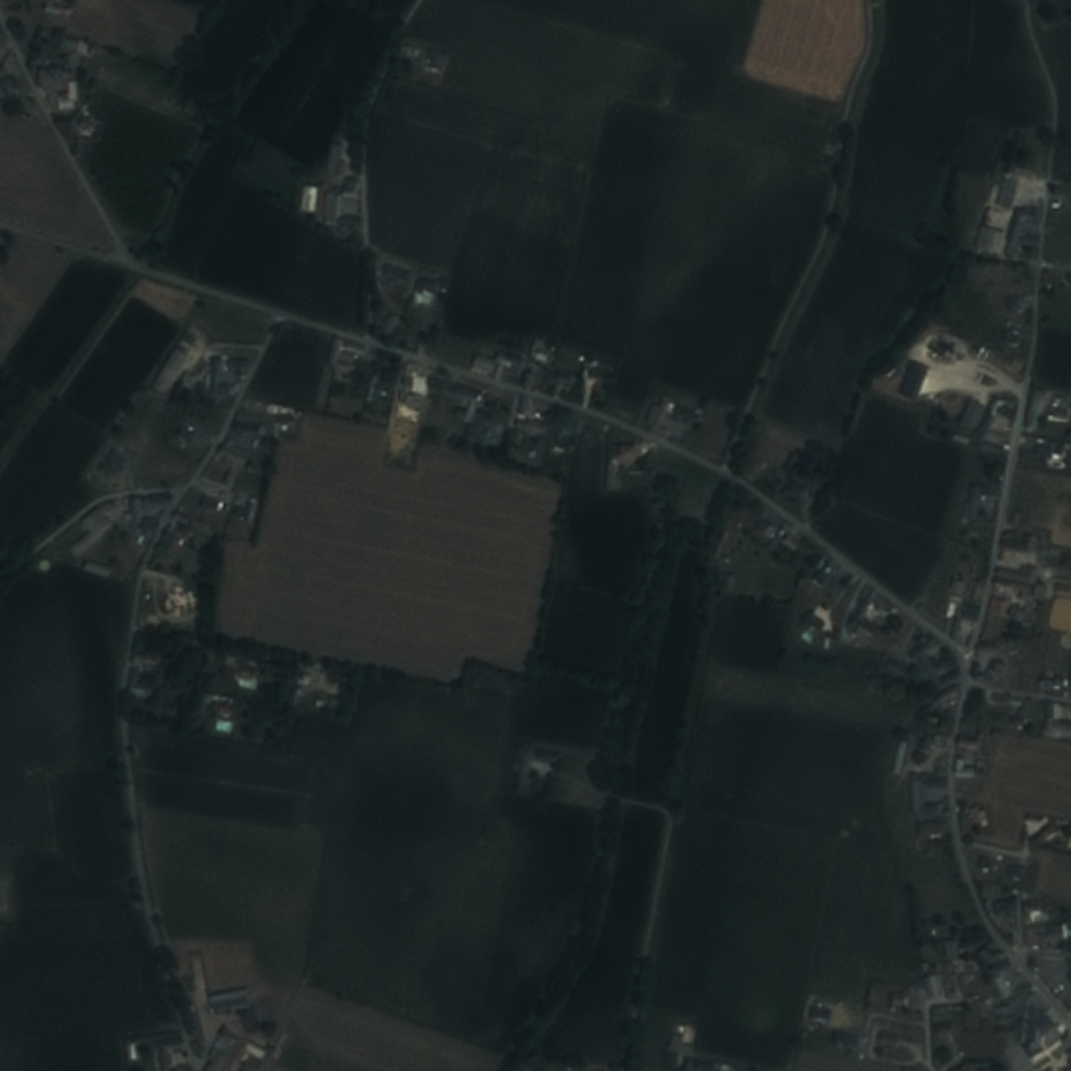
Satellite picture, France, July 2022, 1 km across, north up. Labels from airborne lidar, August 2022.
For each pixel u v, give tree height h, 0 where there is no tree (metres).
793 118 0
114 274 0
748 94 0
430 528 0
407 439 0
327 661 10
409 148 0
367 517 0
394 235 0
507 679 7
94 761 0
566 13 0
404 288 0
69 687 0
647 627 18
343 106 0
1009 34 0
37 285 0
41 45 8
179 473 0
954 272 13
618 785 18
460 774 0
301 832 0
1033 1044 0
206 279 0
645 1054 12
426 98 0
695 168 0
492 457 15
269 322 0
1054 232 0
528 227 0
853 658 0
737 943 0
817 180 0
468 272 0
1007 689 0
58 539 0
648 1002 14
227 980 0
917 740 0
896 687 11
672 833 0
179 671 18
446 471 0
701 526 16
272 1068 0
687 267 0
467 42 0
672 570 13
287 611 0
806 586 0
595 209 0
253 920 0
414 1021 0
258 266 0
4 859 0
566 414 11
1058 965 0
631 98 0
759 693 0
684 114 0
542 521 0
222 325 0
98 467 0
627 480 0
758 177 0
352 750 0
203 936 0
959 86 0
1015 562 0
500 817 0
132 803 0
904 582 0
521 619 0
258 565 0
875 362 15
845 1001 0
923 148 0
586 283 0
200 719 12
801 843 0
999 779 0
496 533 0
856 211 0
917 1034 0
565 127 0
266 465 12
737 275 0
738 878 0
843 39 0
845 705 0
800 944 0
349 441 0
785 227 0
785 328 0
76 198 0
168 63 0
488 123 0
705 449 0
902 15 0
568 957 16
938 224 0
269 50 19
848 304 0
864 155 0
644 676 19
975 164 0
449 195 0
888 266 0
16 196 0
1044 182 0
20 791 0
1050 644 0
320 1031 0
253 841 0
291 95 0
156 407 0
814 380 0
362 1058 0
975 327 0
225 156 0
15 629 0
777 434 0
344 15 0
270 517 0
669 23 0
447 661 0
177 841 0
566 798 0
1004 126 0
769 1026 0
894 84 0
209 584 16
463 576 0
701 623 13
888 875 0
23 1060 0
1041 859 0
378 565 0
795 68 0
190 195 0
